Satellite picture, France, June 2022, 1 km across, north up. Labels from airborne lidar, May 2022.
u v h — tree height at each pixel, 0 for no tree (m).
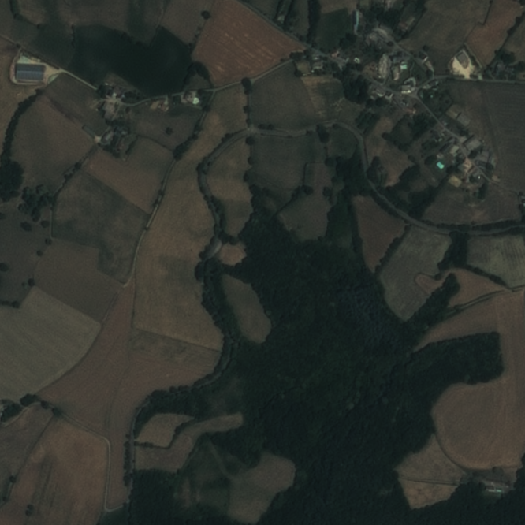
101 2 0
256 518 0
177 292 0
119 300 0
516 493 14
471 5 0
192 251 0
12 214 0
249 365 13
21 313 0
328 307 15
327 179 0
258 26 0
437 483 0
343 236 0
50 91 0
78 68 0
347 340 18
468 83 0
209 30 0
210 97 0
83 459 0
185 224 0
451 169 14
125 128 13
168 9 0
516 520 14
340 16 0
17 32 0
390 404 15
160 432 0
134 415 0
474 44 0
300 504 18
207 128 0
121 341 0
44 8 0
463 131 7
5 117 0
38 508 0
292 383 17
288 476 0
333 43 0
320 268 19
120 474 0
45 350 0
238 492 0
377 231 0
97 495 0
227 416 0
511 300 0
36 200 15
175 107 0
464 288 0
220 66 0
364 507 15
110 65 0
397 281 0
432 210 0
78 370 0
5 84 0
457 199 0
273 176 0
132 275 0
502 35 0
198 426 0
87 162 0
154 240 0
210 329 0
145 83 0
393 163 0
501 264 0
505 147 0
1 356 0
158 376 0
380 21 8
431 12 0
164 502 15
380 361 8
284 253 14
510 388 0
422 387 16
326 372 17
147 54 0
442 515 16
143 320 0
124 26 0
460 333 0
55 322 0
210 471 0
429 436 13
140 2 0
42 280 0
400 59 0
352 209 15
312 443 23
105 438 0
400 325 10
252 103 0
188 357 0
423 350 15
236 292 0
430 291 0
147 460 0
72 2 0
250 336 0
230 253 0
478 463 0
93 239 0
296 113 0
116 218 0
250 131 0
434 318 12
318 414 10
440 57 0
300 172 0
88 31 0
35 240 0
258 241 14
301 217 0
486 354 18
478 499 18
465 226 14
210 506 0
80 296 0
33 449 0
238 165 0
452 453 0
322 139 13
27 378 0
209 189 0
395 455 16
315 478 19
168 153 0
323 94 0
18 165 16
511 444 0
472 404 0
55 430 0
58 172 0
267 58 0
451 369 17
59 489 0
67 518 0
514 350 0
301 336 15
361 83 13
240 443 18
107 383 0
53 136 0
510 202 0
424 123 7
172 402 16
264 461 0
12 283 0
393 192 13
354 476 15
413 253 0
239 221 0
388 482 11
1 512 0
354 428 23
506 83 0
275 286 16
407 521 15
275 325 10
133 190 0
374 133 0
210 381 13
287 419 28
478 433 0
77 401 0
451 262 13
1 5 0
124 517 0
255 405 8
